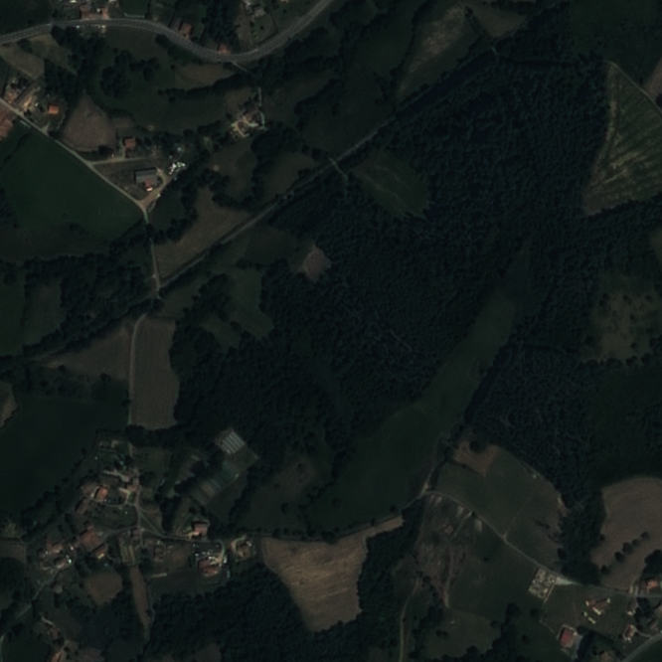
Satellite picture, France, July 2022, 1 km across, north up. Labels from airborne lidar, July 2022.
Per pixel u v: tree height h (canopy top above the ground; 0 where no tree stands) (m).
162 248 0
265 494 0
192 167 11
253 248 0
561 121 29
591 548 9
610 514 0
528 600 0
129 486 0
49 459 0
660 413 13
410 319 20
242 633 16
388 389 6
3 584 8
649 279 17
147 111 0
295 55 25
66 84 13
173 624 12
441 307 11
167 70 0
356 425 12
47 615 6
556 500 0
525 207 17
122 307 8
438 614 12
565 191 31
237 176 0
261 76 17
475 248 24
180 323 13
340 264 34
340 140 0
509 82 9
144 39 0
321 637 8
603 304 14
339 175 18
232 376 18
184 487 16
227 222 0
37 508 9
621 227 22
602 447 8
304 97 0
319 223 31
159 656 10
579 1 0
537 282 6
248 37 0
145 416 0
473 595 0
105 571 0
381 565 10
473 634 0
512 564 0
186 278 19
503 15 0
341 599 0
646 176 0
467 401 0
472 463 0
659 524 0
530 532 0
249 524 0
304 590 0
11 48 0
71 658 6
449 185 29
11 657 0
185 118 0
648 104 0
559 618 0
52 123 0
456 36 0
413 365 23
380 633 16
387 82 14
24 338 0
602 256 20
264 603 22
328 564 0
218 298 9
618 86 0
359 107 0
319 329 10
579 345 13
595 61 14
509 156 23
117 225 0
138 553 0
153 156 0
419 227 30
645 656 0
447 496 0
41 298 0
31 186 0
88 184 0
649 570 10
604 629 0
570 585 0
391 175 0
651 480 0
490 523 0
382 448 0
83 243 0
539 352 28
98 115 0
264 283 13
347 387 8
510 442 26
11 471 0
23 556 0
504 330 0
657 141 0
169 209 0
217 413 19
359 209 27
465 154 27
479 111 43
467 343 0
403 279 17
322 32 21
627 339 0
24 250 0
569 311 14
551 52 13
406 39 0
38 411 0
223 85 18
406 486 0
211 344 16
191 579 0
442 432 0
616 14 0
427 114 22
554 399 24
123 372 0
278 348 23
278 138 21
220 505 0
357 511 0
